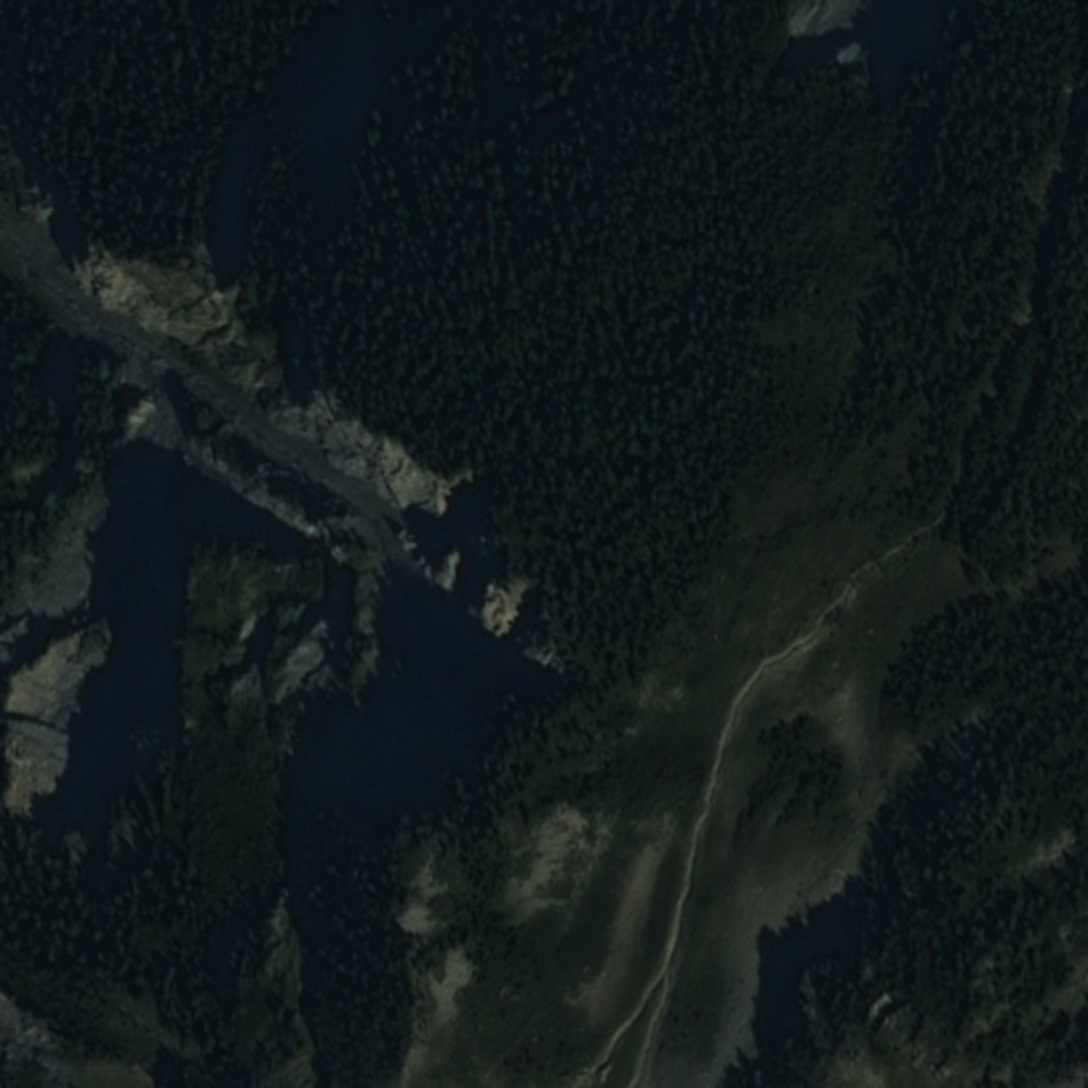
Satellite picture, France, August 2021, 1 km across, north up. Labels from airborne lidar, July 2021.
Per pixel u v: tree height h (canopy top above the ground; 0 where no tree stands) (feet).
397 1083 0
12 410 35
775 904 0
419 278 25
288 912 0
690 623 22
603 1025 0
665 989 0
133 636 0
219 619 0
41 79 46
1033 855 0
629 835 0
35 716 0
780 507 0
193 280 25
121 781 0
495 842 33
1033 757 25
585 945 0
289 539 0
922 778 23
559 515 67
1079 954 0
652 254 71
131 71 97
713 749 0
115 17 98
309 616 0
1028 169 49
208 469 0
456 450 63
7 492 62
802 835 0
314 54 22
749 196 42
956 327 77
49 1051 0
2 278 20
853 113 23
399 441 53
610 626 62
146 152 26
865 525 0
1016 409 80
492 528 39
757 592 0
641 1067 0
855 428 26
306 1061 0
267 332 75
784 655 0
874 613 0
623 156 41
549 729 49
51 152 63
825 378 0
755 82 75
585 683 54
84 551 0
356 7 29
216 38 62
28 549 35
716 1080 0
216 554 22
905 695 27
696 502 22
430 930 0
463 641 0
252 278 53
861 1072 0
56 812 0
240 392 0
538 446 94
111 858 37
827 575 0
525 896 0
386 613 0
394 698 0
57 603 0
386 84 71
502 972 0
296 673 0
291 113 45
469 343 45
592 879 0
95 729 0
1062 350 83
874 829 0
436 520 0
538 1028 0
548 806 22
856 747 0
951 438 56
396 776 0
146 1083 0
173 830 0
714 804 0
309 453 0
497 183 77
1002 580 94
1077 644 45
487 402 41
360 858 32
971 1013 37
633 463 34
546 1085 0
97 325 0
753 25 37
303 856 47
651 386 63
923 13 0
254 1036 0
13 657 0
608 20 86
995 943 44
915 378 47
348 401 41
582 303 64
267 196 54
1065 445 82
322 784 0
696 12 65
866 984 28
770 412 27
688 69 86
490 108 23
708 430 45
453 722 0
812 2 0
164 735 0
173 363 0
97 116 96
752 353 44
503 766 44
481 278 100
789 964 0
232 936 0
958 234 93
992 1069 30
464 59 27
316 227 18
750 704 0
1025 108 24
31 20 74
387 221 74
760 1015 0
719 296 81
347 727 0
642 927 0
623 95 102
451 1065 0
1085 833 56
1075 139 31
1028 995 28
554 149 92
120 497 0
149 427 0
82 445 22
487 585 0
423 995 37
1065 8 90
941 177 89
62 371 0
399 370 89
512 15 91
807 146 22
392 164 24
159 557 0
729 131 93
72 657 0
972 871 60
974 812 33
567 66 36
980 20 52
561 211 32
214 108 33
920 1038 26
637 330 76
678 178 92
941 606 0
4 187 18
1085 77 34
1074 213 83
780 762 32
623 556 70
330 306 27
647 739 0
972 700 57
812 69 71
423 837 43
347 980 30
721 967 0
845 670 0
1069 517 80
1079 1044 22
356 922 20
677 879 0
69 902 27
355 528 0
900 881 30
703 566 52
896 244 23
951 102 93
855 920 48
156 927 29
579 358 86
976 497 46
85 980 37
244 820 0
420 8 61
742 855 0
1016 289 42
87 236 51
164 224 38
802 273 20
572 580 80
